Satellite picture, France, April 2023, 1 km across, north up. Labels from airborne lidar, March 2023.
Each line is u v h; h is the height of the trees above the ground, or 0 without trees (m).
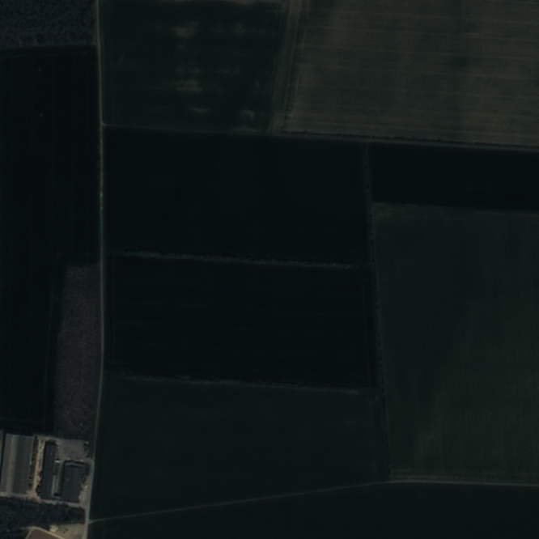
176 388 0
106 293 0
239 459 0
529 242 0
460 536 0
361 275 0
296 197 0
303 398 0
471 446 0
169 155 0
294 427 0
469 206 0
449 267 0
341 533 0
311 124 0
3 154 0
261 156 0
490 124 0
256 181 0
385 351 0
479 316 0
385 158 0
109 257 0
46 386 0
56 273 0
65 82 0
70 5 13
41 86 0
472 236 0
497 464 0
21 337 0
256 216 0
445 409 0
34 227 0
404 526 0
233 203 0
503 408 0
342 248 0
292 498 0
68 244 0
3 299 0
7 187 0
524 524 0
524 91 0
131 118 0
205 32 0
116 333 0
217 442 0
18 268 0
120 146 0
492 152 0
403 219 0
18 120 0
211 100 0
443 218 0
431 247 0
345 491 0
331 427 0
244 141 0
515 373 0
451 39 0
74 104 0
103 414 0
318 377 0
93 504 0
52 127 0
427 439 0
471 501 0
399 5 0
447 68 0
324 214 0
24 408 0
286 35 0
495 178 0
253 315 0
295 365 0
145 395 0
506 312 0
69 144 0
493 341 0
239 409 0
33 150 0
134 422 0
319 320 0
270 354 0
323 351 0
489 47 0
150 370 0
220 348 0
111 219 0
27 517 10
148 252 9
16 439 0
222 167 0
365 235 0
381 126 0
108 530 0
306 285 0
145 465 0
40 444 0
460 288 0
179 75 0
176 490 0
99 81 0
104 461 0
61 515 6
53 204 0
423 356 0
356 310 0
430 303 0
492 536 0
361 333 0
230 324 0
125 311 0
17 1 12
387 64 0
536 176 0
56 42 14
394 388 0
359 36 0
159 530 0
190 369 0
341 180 0
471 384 0
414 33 0
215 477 0
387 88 0
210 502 0
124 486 0
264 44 0
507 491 0
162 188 0
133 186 0
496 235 0
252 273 0
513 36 0
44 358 0
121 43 0
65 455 0
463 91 0
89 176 0
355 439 0
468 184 0
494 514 0
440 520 0
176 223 0
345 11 0
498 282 0
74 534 0
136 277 0
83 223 0
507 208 0
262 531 0
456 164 0
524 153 0
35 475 0
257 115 0
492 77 0
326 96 0
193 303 0
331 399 0
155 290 0
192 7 0
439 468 0
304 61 0
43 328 0
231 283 0
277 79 0
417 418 0
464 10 0
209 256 7
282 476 0
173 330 0
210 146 0
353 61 0
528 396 0
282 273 0
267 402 0
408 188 0
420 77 0
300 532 0
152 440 0
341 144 0
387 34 0
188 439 0
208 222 0
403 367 0
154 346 0
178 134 0
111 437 0
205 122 0
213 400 0
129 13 0
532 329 0
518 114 0
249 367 0
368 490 0
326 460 0
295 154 0
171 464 0
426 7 0
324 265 6
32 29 18
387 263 0
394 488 0
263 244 0
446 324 0
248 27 0
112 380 0
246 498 0
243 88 0
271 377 0
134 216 0
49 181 0
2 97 0
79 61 0
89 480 0
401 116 0
